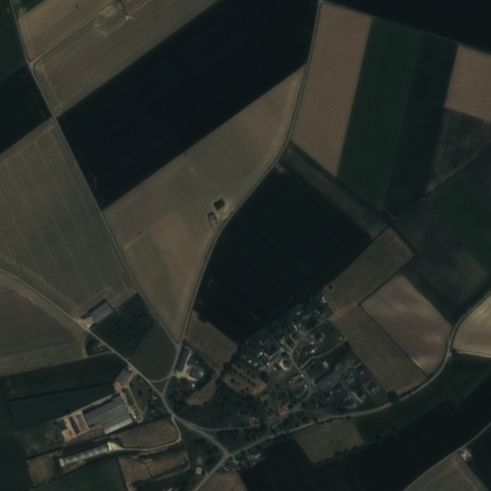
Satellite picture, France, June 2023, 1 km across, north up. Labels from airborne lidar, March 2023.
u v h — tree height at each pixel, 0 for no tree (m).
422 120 0
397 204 0
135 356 0
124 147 0
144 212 0
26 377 0
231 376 0
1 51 0
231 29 0
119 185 0
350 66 0
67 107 0
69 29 0
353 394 0
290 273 0
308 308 13
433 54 0
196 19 0
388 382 0
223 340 0
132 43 0
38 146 0
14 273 0
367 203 0
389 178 0
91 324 0
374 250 0
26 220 0
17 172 0
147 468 0
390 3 0
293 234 0
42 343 0
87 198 0
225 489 0
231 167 0
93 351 0
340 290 0
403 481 0
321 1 0
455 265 0
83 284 0
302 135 0
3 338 0
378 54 0
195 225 0
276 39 0
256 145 0
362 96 0
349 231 0
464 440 0
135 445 0
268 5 0
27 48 0
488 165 0
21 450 0
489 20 0
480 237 0
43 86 0
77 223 0
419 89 0
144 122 0
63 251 0
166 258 0
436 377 0
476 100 0
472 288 0
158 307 0
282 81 0
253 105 0
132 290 0
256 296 0
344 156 0
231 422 0
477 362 0
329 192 0
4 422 0
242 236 0
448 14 0
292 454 0
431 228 0
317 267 0
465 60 0
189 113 0
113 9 0
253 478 0
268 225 0
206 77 0
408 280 0
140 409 0
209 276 0
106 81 0
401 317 0
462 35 0
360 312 0
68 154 0
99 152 0
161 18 0
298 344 0
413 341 0
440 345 0
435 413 0
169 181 0
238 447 0
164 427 0
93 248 0
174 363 0
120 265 0
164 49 0
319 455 0
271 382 0
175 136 0
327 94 0
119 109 0
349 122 0
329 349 0
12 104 0
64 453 0
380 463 0
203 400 0
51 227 0
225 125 0
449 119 0
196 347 0
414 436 0
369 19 0
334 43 0
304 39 0
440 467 0
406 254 0
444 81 0
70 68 0
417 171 0
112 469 0
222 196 0
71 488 0
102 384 6
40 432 0
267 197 0
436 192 0
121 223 0
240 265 0
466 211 0
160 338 0
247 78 0
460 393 0
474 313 0
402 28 0
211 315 0
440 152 0
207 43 0
